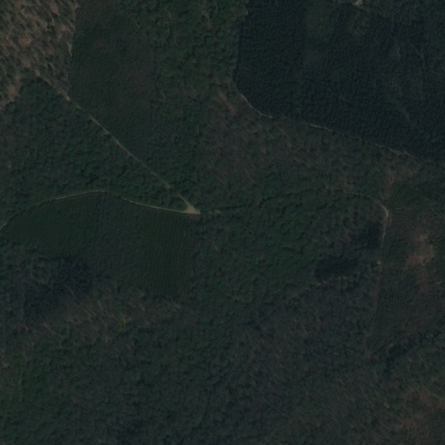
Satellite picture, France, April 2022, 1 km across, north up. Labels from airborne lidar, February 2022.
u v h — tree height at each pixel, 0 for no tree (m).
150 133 14
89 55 12
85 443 27
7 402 21
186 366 26
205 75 10
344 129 28
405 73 19
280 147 22
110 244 17
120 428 25
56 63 26
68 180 21
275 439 27
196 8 19
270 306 24
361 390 29
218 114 17
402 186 9
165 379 29
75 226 8
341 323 26
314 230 24
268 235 20
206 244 28
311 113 18
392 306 7
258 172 26
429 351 27
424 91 12
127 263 18
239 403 24
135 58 13
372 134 32
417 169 23
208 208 22
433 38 21
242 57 26
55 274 28
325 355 19
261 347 27
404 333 7
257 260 21
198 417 28
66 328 28
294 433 30
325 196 27
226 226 26
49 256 7
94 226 8
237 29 21
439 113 30
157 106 28
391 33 21
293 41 25
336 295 28
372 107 27
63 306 25
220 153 22
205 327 22
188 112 22
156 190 26
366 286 24
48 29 8
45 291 27
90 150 17
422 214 8
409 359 26
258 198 25
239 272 23
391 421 24
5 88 24
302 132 23
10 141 31
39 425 20
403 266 6
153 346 26
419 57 17
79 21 13
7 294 26
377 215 27
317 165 22
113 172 22
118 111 13
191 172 21
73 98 14
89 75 13
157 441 26
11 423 20
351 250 20
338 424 26
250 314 21
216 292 21
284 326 29
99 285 27
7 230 11
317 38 22
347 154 12
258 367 25
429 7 18
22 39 29
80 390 27
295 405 24
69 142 26
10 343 26
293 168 22
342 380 26
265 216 20
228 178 17
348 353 20
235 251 16
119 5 11
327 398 28
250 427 26
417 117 29
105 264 15
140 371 25
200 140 23
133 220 16
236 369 24
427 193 10
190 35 17
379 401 24
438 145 17
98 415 30
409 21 21
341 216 24
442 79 18
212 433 24
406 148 20
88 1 11
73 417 28
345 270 24
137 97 13
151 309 24
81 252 8
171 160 24
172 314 27
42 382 21
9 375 22
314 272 18
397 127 27
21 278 29
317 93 25
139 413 19
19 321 27
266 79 23
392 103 25
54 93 21
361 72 20
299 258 20
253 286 25
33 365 19
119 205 17
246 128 16
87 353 23
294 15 31
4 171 28
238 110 15
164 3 20
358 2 0
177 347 25
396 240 6
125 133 13
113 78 19
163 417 20
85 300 26
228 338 26
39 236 10
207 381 22
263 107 25
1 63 27
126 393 25
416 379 23
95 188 15
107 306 23
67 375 20
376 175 22
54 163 18
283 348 28
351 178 10
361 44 20
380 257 11
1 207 26
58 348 26
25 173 22
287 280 27
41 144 23
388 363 14
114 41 13
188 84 25
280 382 29
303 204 23
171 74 27
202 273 14
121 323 6
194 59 22
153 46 10
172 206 19
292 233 20
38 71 25
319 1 21
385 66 22
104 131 22
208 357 24
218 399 22
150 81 11
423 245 0
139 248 11
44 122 24
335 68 25
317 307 26
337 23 18
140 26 22
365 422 20
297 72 21
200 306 25
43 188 21
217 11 23
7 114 22
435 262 8
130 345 32
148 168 12
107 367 28
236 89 12
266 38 29
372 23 17
